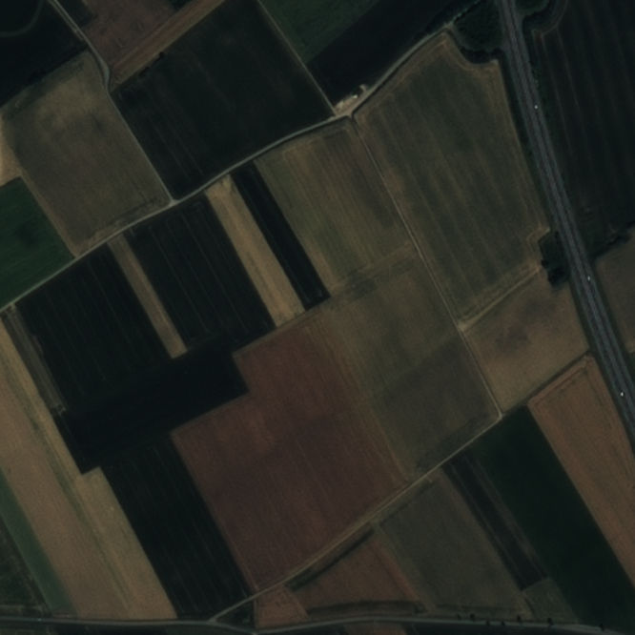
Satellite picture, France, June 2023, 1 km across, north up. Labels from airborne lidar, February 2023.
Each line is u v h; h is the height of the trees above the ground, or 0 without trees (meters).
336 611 0
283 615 0
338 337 0
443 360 0
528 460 0
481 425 0
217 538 0
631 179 0
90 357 0
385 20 0
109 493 0
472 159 0
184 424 0
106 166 0
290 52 0
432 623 0
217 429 0
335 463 0
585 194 0
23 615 0
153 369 0
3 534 0
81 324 0
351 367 0
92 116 0
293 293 0
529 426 0
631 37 0
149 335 0
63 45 0
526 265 0
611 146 0
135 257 0
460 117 0
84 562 0
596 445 0
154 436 0
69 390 0
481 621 0
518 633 0
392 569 0
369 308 0
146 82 0
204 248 0
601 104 0
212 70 0
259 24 0
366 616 0
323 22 0
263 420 0
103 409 0
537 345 0
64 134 0
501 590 0
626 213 0
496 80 0
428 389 0
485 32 6
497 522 0
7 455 0
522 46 0
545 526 0
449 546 0
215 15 0
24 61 0
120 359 0
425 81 0
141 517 0
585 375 0
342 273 0
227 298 0
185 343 0
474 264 0
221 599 0
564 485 0
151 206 0
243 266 0
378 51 0
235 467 0
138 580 0
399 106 0
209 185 0
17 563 0
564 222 0
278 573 0
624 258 0
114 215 0
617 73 0
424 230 0
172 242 0
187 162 0
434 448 0
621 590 0
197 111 0
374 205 0
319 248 0
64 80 0
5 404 0
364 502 0
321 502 0
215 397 0
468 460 0
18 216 0
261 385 0
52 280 0
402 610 0
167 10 0
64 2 0
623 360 0
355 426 0
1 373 0
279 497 0
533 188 0
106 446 0
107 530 0
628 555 0
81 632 0
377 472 0
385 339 0
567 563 0
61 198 0
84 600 0
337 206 0
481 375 0
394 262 0
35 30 0
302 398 0
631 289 0
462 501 0
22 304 0
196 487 0
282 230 0
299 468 0
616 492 0
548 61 0
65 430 0
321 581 0
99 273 0
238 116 0
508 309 0
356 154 0
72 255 0
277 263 0
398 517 0
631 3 0
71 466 0
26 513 0
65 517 0
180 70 0
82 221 0
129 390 0
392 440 0
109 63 0
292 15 0
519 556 0
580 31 0
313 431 0
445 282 0
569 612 0
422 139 0
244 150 0
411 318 0
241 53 0
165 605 0
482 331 0
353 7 0
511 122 0
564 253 5
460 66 0
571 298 0
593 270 0
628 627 0
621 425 0
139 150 0
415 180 0
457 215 0
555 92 0
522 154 0
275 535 0
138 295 0
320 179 0
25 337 0
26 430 0
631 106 0
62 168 0
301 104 0
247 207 0
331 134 0
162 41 0
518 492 0
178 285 0
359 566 0
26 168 0
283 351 0
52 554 0
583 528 0
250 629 0
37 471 0
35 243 0
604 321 0
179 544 0
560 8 0
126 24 0
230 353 0
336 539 0
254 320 0
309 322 0
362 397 0
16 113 0
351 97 0
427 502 0
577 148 0
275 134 0
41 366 0
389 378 0
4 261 0
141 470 0
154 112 0
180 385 0
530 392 0
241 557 0
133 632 0
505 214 0
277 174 0
